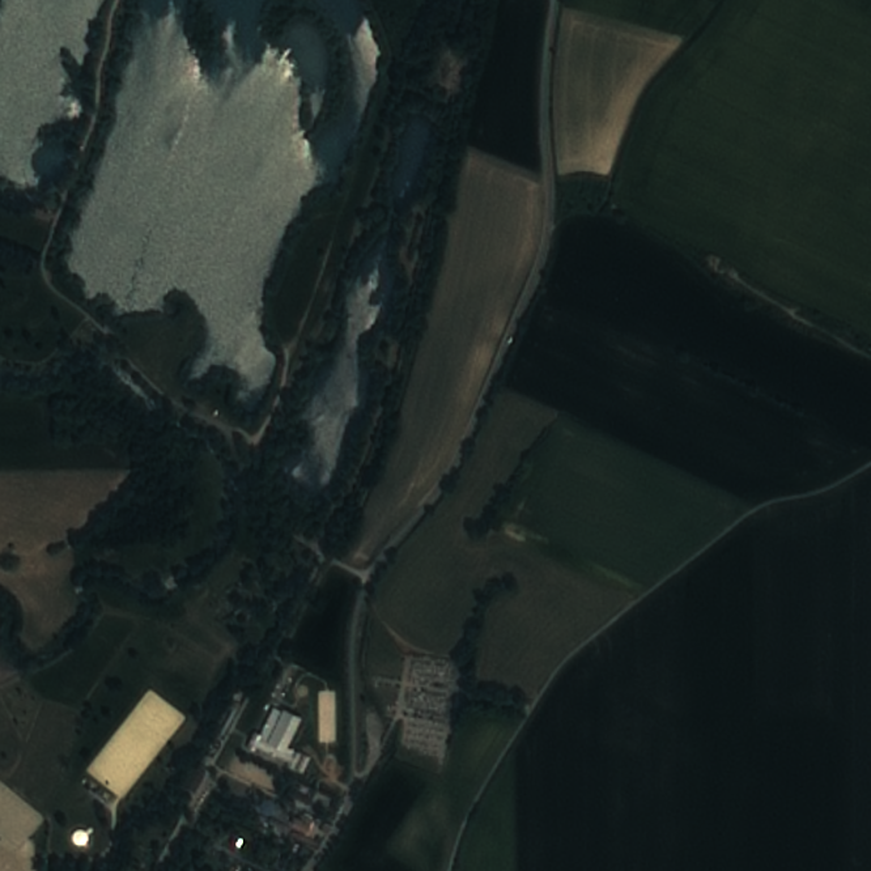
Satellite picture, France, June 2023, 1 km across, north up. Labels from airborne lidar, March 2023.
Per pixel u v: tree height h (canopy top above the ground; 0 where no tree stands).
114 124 0
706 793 0
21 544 0
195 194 0
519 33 0
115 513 19
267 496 20
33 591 0
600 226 0
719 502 0
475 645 14
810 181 0
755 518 0
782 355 0
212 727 20
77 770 0
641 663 0
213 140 0
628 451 0
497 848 0
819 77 0
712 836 0
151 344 0
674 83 0
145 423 16
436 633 0
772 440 0
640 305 0
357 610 0
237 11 0
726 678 0
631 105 0
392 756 0
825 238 0
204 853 6
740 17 0
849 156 0
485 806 0
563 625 0
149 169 0
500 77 0
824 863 0
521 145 0
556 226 0
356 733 0
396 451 0
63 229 13
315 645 0
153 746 0
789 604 0
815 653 0
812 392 0
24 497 0
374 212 14
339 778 0
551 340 0
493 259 0
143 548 0
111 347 16
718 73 0
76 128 12
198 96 0
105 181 0
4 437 0
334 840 11
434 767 0
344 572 0
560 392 0
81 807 0
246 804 13
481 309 0
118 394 9
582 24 0
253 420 9
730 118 0
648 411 0
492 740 0
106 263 0
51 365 8
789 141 0
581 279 0
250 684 17
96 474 0
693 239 0
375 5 9
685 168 0
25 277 0
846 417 0
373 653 0
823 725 0
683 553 0
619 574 0
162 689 0
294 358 0
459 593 0
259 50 0
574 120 0
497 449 0
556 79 0
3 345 0
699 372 0
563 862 0
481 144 0
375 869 0
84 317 0
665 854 0
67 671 0
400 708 0
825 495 0
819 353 0
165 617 0
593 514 0
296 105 0
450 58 36
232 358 0
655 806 0
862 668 0
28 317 0
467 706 19
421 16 8
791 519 0
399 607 0
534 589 0
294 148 0
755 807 0
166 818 13
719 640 0
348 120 0
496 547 0
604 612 0
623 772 0
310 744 0
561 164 0
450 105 10
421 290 6
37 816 0
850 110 0
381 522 0
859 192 0
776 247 0
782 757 0
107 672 0
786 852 0
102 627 0
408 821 0
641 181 0
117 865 19
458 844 0
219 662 0
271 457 19
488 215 0
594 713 0
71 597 0
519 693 19
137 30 0
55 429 17
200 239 0
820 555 0
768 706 0
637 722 0
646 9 0
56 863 14
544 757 0
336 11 0
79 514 0
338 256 0
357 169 0
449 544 0
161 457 18
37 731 0
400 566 0
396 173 0
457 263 0
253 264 0
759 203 0
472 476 0
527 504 0
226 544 16
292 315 0
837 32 0
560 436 0
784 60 0
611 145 0
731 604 0
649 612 0
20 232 0
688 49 0
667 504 0
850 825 0
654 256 0
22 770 0
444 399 0
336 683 0
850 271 0
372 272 0
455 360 0
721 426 0
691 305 0
